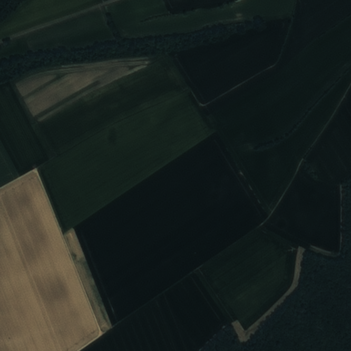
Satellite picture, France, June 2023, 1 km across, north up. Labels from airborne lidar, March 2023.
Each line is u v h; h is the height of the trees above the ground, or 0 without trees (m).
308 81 0
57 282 0
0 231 0
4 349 0
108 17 13
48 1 0
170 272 0
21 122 0
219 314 0
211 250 0
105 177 0
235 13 0
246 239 0
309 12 0
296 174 0
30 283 0
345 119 0
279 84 0
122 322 0
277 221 0
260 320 0
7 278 0
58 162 0
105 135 0
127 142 0
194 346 0
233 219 0
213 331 0
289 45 0
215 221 0
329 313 25
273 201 0
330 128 0
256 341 21
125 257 0
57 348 0
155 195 0
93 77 0
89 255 0
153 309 0
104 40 0
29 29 0
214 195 0
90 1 0
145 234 0
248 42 0
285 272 0
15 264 0
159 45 18
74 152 0
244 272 0
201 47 0
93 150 0
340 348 19
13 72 17
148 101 0
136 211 0
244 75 0
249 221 0
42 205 0
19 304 0
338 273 23
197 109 0
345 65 0
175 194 0
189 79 0
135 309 0
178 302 0
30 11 0
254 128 0
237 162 0
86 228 0
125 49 13
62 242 0
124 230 0
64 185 0
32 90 0
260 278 0
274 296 0
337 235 0
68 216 0
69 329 0
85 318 0
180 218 0
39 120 0
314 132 0
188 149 0
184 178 0
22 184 0
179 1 0
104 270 0
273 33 0
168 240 0
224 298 0
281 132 0
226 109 0
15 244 0
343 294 24
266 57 0
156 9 0
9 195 0
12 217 0
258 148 8
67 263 0
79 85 0
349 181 7
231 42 0
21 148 0
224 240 0
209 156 0
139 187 0
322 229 0
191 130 0
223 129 0
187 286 0
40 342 0
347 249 20
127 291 0
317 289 26
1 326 0
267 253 0
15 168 0
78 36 0
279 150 0
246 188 0
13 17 0
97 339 0
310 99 0
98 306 0
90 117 0
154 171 0
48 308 0
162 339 0
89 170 0
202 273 0
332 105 0
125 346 0
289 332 24
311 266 17
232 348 21
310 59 0
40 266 0
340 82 0
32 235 0
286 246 0
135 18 0
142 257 0
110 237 0
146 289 0
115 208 0
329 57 0
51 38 0
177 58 0
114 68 0
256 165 0
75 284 0
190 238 0
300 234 0
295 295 18
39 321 0
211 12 0
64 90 0
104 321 0
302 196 0
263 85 0
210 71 0
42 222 0
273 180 0
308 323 23
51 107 0
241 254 0
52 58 18
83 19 0
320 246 0
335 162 0
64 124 0
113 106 0
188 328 0
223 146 0
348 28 0
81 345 0
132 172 0
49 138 0
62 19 0
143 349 0
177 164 0
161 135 0
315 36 0
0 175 0
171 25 0
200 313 0
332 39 0
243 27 18
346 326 23
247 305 0
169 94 0
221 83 0
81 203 0
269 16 0
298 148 0
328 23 0
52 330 0
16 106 0
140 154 0
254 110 0
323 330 23
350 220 23
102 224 0
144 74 0
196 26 0
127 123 0
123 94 0
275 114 0
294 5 0
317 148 0
